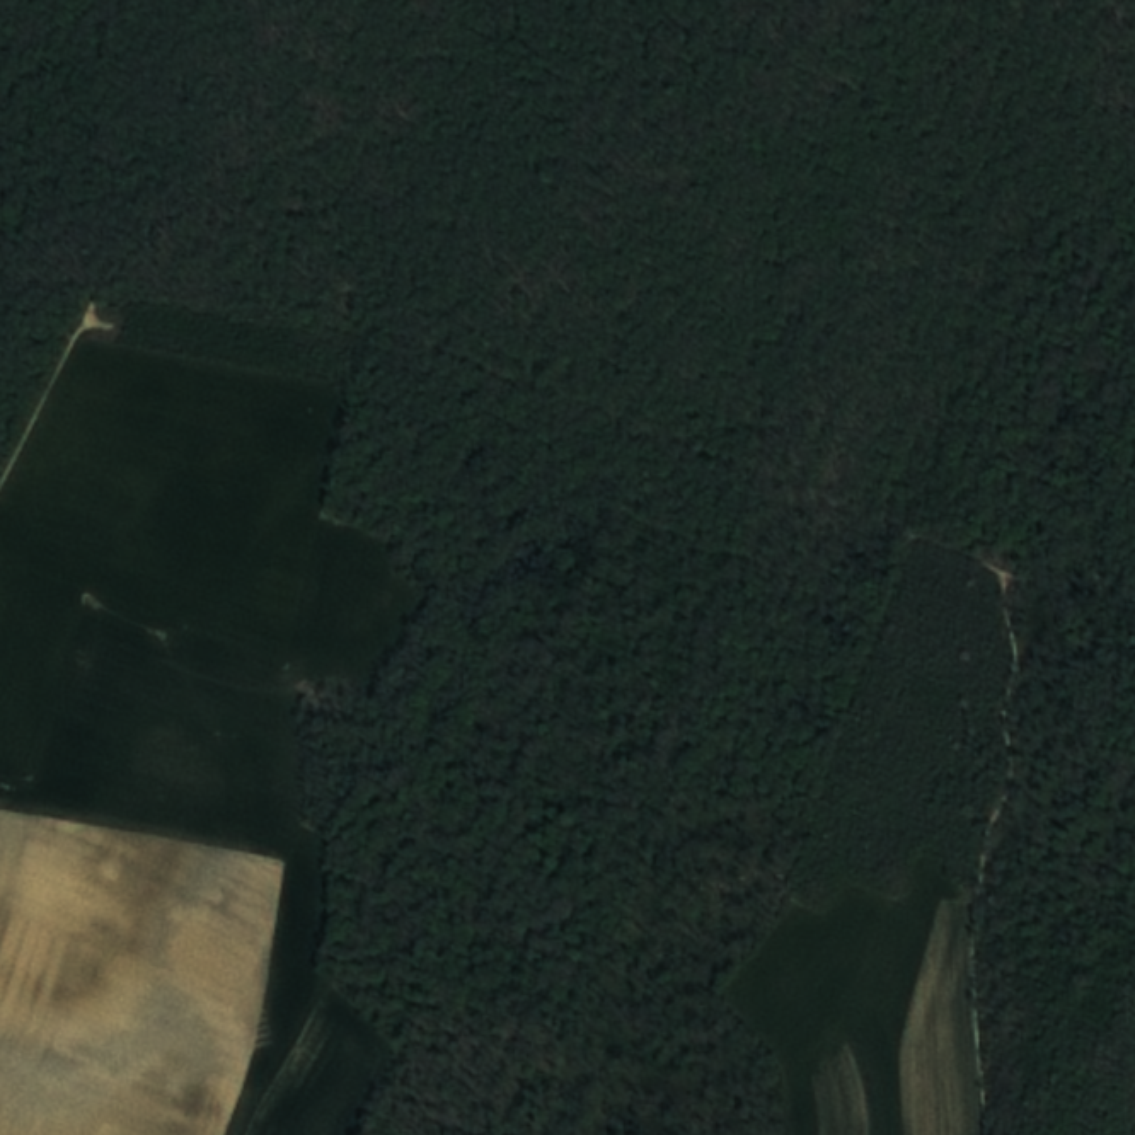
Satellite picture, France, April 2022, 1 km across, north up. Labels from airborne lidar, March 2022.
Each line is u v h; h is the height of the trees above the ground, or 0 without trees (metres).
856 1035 0
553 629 23
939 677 12
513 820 23
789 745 25
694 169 24
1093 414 25
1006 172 22
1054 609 28
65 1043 0
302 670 0
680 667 20
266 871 0
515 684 22
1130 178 20
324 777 24
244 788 0
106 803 0
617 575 25
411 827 18
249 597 0
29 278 26
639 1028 21
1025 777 21
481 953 17
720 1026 20
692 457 21
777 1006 0
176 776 0
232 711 0
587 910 23
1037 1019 11
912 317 22
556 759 26
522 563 23
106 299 17
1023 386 20
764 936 22
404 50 23
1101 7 21
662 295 21
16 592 0
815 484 20
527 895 22
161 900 0
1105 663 23
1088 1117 18
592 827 24
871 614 21
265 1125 0
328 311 22
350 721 23
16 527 0
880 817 11
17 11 25
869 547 22
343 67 23
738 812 25
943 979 0
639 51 20
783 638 20
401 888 25
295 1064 0
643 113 24
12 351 23
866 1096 0
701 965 22
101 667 0
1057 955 13
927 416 22
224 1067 0
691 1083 23
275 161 23
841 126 23
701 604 23
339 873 18
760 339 23
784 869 23
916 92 21
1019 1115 14
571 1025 16
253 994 0
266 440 0
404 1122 21
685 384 24
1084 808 22
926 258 22
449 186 22
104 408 0
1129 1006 19
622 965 24
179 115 23
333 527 0
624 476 23
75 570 0
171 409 0
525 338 23
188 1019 0
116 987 0
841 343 23
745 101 24
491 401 22
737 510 22
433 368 26
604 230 23
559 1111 22
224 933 0
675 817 24
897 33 21
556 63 21
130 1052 0
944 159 24
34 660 0
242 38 23
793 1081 0
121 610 0
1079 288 26
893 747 12
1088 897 11
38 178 27
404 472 22
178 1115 0
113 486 0
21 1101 0
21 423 19
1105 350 22
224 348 6
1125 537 27
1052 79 23
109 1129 0
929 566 15
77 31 19
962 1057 0
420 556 24
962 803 15
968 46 27
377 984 25
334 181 24
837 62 23
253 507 0
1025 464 23
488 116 21
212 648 0
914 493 20
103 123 24
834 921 0
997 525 23
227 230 25
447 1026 23
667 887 24
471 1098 18
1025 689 25
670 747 23
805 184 22
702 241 21
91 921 0
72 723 0
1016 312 21
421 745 24
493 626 27
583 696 24
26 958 0
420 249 24
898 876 15
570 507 26
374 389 19
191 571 0
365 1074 0
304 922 0
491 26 23
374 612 0
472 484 26
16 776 0
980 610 14
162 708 0
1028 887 13
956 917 0
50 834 0
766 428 26
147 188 22
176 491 0
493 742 16
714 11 23
